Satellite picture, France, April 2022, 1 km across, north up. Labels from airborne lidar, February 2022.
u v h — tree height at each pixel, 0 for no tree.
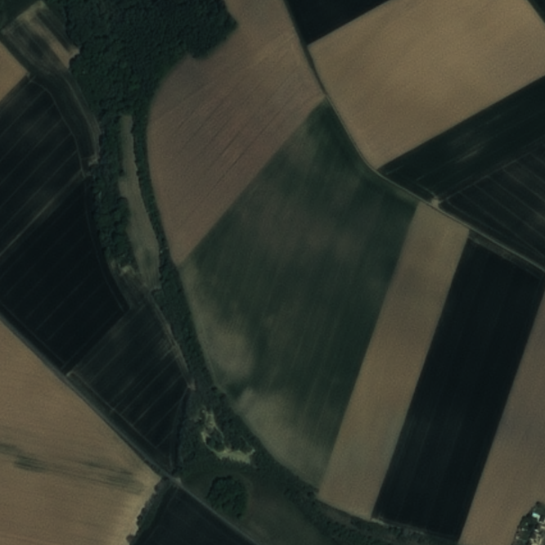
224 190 0
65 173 0
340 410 0
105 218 17
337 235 0
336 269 0
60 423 0
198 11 26
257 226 0
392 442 0
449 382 0
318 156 0
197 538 0
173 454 0
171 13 35
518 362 0
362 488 0
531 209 0
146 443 0
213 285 0
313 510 14
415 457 0
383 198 0
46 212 0
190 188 0
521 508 0
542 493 0
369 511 0
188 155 0
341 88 0
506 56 0
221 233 0
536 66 0
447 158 0
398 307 0
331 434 0
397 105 0
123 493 0
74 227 0
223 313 0
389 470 0
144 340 0
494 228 0
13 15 0
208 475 0
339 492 0
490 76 0
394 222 0
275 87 0
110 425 0
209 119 0
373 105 0
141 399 0
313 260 0
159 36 30
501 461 0
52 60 0
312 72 0
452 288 0
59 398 0
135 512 0
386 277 0
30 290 0
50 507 0
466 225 0
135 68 23
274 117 0
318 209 0
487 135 0
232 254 0
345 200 0
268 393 0
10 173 0
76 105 0
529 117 0
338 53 0
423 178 0
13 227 0
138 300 0
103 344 0
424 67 0
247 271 0
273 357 0
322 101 0
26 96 0
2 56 0
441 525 0
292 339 0
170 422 0
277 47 0
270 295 0
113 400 0
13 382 0
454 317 0
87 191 0
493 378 0
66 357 0
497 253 0
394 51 0
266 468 12
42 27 0
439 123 0
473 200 0
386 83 0
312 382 0
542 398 0
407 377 0
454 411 0
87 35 31
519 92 0
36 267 0
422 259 0
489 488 0
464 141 0
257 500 0
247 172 0
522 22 0
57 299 0
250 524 0
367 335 0
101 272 0
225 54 0
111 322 0
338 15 0
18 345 0
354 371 0
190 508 0
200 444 16
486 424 0
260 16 0
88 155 0
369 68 0
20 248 0
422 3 0
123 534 0
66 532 0
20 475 0
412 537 12
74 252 0
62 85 0
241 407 0
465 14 0
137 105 18
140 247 0
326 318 0
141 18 29
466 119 0
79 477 0
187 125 0
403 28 0
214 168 0
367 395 0
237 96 0
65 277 0
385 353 0
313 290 0
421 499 0
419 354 0
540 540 0
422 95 0
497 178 0
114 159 20
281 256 0
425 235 0
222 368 0
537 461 0
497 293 0
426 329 0
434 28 0
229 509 12
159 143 0
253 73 0
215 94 0
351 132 0
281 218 0
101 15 33
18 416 0
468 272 0
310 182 0
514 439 0
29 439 0
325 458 0
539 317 0
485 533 0
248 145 0
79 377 0
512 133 0
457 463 0
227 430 22
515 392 0
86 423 0
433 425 0
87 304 0
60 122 0
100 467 0
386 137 0
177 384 0
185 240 0
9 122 0
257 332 0
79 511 0
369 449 0
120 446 0
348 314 0
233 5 0
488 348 0
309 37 0
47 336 0
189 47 22
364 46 0
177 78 0
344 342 0
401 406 0
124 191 0
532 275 0
